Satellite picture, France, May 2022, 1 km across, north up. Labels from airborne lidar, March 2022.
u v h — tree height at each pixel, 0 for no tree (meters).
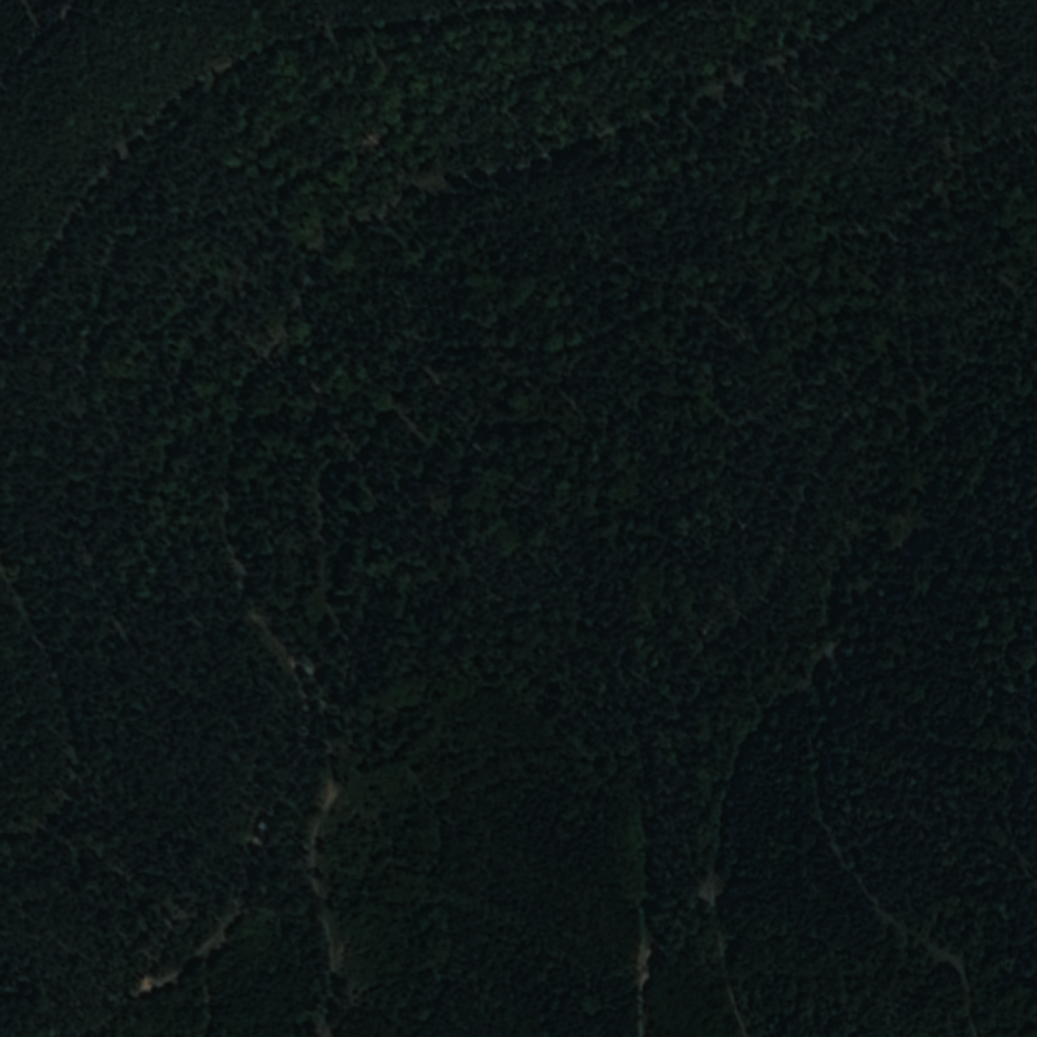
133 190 11
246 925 9
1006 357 18
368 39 25
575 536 28
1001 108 18
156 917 28
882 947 16
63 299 20
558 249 22
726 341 30
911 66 28
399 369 31
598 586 9
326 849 19
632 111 22
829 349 12
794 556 29
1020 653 30
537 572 28
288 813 34
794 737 19
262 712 29
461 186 27
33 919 27
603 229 27
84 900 23
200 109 23
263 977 19
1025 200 23
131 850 31
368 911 13
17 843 26
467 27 22
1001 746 24
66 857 29
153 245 21
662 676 14
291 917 24
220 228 9
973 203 23
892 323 29
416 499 32
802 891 27
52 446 25
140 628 28
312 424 32
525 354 37
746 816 22
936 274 32
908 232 31
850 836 31
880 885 27
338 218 16
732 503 28
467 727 11
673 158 19
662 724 28
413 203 26
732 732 13
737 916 21
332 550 10
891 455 13
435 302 25
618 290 28
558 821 23
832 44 11
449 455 26
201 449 12
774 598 25
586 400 28
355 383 28
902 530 0
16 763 27
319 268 29
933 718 27
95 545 22
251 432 23
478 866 19
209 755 27
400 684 41
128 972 7
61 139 9
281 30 16
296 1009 18
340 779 18
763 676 27
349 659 31
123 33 11
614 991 19
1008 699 26
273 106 24
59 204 13
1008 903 27
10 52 16
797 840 21
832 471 24
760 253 28
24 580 23
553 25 22
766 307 33
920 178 22
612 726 25
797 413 28
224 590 15
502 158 11
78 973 25
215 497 12
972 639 29
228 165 8
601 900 16
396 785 6
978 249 23
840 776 27
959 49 23
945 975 22
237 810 31
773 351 30
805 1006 17
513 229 24
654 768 23
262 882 30
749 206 31
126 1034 7
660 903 29
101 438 24
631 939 12
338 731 35
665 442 21
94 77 13
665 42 13
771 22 17
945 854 24
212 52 7
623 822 14
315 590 11
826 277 39
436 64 11
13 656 20
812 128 29
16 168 13
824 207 17
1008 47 22
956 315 7
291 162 19
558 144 16
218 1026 11
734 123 17
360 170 9
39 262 12
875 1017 9
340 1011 19
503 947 19
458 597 35
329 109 21
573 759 14
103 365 20
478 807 17
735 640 32
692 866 14
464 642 37
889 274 30
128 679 26
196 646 31
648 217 24
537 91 20
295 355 23
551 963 18
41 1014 22
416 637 31
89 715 27
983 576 26
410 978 14
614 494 32
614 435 28
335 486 35
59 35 17
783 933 12
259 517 24
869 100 24
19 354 23
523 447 34
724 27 12
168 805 27
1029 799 20
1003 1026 7
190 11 16
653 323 34
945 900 17
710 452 32
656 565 31
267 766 30
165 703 23
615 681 32
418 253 28
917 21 26
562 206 19
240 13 12
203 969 17
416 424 24
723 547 23
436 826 16
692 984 13
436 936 22
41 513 28
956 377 20
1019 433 29
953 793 20
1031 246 25
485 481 28
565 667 24
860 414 27
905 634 23
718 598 29
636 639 23
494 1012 21
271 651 11
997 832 27
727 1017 11
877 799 31
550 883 20
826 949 24
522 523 17
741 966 19
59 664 28
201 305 24
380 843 13
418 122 26
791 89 30
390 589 21
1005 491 39
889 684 33
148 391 8
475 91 13
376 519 29
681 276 20
